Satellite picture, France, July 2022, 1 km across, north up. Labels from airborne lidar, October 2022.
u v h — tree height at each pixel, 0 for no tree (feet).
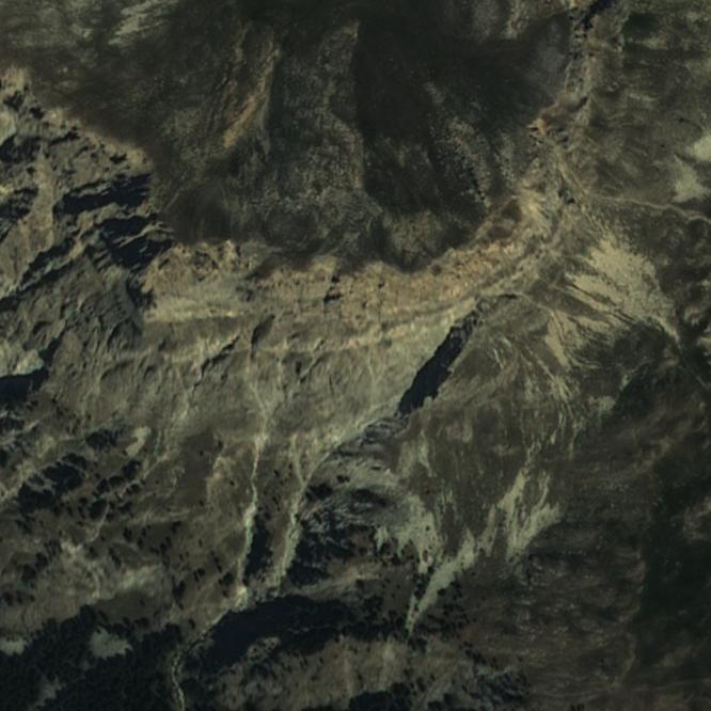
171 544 30
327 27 0
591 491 0
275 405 0
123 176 0
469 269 0
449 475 0
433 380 0
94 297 0
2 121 0
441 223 0
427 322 0
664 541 0
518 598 0
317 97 0
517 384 0
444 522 0
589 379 0
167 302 0
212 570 0
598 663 0
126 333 0
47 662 74
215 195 0
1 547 0
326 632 41
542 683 0
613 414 0
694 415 0
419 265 0
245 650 27
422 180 0
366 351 0
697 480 0
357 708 73
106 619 71
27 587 44
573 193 0
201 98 0
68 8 0
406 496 0
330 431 0
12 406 28
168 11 0
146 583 0
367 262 0
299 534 0
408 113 0
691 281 0
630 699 0
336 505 0
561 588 0
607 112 0
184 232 0
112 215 0
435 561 0
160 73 0
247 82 0
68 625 48
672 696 0
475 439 0
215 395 0
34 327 0
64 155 0
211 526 0
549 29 0
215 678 32
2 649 0
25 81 0
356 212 0
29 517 45
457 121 0
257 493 0
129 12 0
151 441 0
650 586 0
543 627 0
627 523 0
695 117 0
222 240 0
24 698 80
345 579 0
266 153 0
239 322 0
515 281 0
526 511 0
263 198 0
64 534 27
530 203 0
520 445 0
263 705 0
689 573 0
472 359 0
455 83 0
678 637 0
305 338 0
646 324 0
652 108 0
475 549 0
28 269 0
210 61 0
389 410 0
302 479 0
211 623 0
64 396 0
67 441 0
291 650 23
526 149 0
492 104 0
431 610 0
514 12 0
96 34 0
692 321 0
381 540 0
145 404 0
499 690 0
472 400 0
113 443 26
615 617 0
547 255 0
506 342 0
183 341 0
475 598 0
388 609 0
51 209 0
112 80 0
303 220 0
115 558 38
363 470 0
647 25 0
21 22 0
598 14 0
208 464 0
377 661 0
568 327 0
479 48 0
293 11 0
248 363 0
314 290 0
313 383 0
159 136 0
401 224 0
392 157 0
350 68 0
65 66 0
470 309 0
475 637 0
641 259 0
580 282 0
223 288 0
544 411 0
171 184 0
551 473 0
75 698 73
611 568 0
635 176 0
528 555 0
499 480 0
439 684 0
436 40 0
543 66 0
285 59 0
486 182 0
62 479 30
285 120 0
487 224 0
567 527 0
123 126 0
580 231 0
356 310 0
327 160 0
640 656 0
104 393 0
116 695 85
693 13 0
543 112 0
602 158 0
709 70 0
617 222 0
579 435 0
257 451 0
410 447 0
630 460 0
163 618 0
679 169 0
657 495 0
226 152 0
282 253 0
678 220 0
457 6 0
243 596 0
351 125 0
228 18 0
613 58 0
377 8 0
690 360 0
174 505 0
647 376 0
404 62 0
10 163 0
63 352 0
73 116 0
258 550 24
